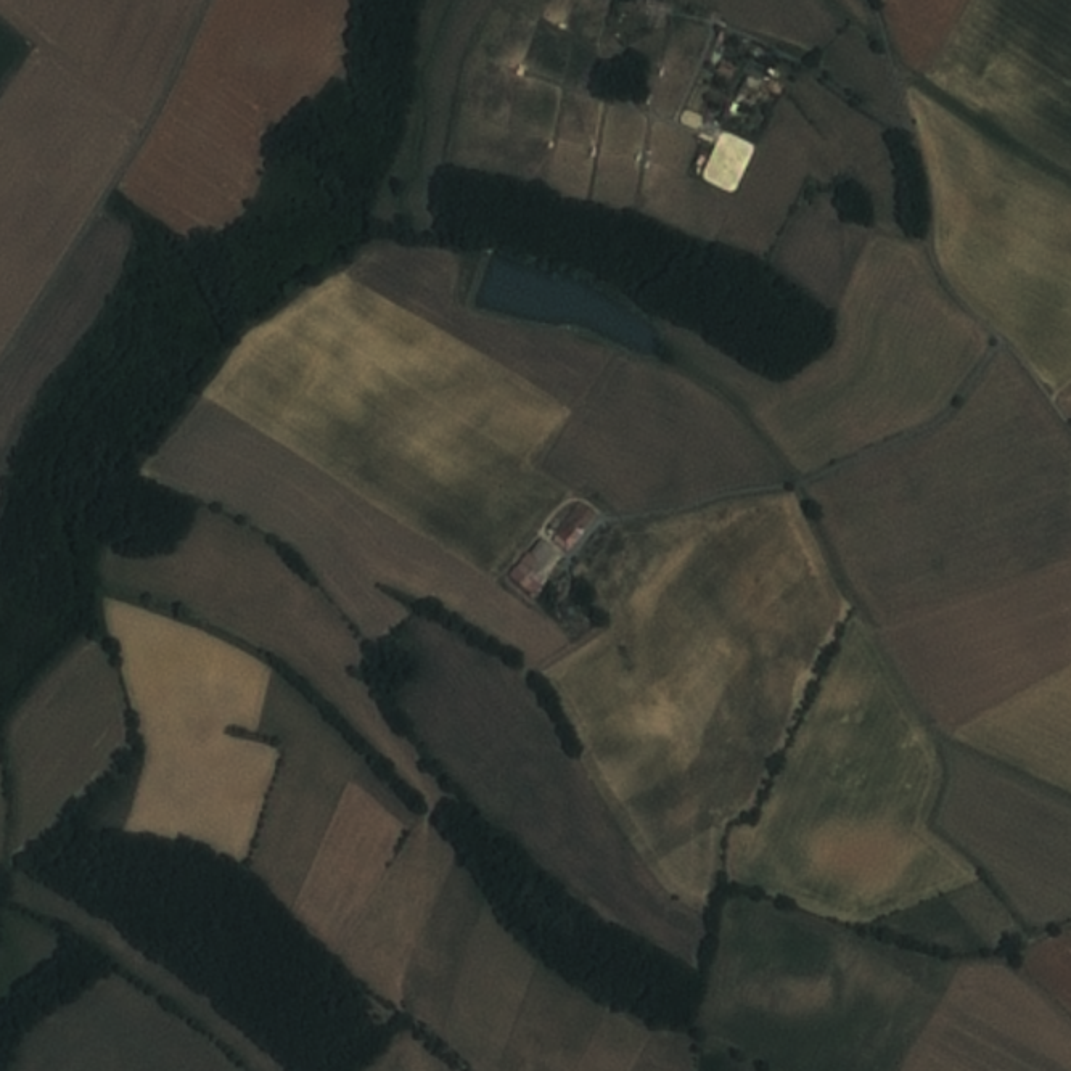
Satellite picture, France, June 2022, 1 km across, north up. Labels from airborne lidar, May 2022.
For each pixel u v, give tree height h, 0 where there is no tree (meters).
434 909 0
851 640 0
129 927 20
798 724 7
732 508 0
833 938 0
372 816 0
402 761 0
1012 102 0
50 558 15
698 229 0
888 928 13
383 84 21
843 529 0
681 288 22
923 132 0
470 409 0
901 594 0
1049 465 0
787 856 0
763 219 0
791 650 0
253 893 18
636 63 17
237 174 0
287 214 8
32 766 0
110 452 17
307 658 0
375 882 0
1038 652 0
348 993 18
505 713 0
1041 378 0
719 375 0
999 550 0
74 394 14
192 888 17
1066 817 0
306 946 18
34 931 0
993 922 0
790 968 0
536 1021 0
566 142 0
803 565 0
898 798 0
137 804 0
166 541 17
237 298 20
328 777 0
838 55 0
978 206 0
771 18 0
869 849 0
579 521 0
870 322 0
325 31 0
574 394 0
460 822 23
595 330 0
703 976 14
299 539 0
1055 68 0
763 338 18
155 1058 0
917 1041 0
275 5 0
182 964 13
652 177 0
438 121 0
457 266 0
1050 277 0
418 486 0
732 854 0
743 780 0
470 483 0
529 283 0
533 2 0
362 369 0
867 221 14
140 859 13
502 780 0
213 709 0
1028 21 0
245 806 0
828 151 0
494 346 0
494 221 15
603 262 15
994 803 0
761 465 0
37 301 0
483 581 0
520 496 0
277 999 15
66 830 15
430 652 0
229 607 0
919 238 15
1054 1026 0
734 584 0
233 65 0
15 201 0
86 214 0
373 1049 18
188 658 0
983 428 0
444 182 16
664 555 0
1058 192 0
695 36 0
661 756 0
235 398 0
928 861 0
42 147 0
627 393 0
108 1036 0
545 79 0
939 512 0
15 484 14
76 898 16
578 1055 0
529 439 0
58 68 0
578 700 0
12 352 0
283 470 0
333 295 0
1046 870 0
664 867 0
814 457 0
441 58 0
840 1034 0
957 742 0
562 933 13
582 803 0
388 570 0
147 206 0
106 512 22
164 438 9
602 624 15
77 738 0
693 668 0
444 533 0
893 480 0
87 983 12
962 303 0
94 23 0
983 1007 0
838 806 0
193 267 18
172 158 0
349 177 15
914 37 0
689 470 0
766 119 6
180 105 0
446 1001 0
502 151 0
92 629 18
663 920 0
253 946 18
